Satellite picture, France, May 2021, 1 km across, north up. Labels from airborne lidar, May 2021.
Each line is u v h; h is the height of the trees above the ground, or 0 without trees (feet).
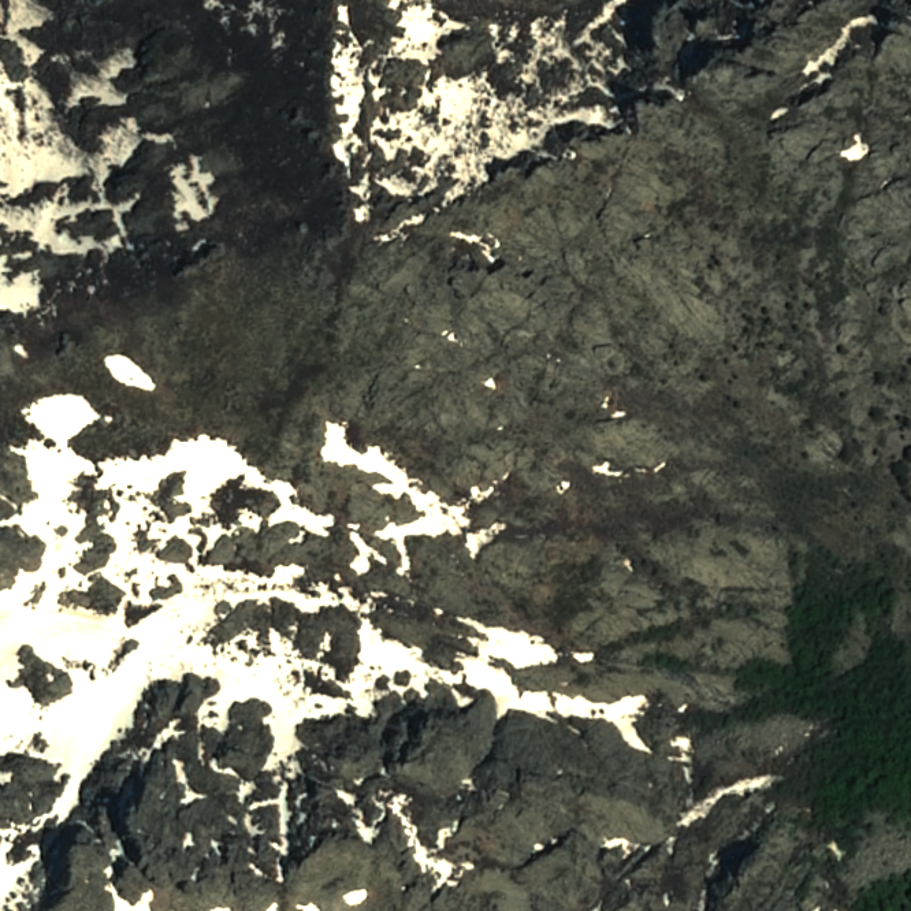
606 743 0
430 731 0
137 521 0
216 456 0
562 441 28
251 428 0
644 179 0
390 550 0
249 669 0
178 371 0
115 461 0
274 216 0
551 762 0
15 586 0
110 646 0
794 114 0
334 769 0
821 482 33
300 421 0
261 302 0
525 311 0
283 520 0
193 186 0
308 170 0
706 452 0
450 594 0
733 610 51
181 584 0
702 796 32
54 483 0
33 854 0
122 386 0
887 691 54
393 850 0
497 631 0
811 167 0
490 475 0
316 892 0
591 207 0
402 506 0
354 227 0
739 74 0
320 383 0
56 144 0
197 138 0
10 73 0
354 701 0
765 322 28
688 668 35
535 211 0
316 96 0
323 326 0
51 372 0
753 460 36
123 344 0
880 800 46
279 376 0
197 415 0
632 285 0
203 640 0
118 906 0
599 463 0
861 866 0
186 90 0
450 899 0
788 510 43
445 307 0
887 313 28
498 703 0
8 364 0
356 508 0
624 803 0
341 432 0
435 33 0
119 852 0
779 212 0
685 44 0
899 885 45
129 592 0
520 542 0
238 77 0
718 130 0
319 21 0
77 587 0
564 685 0
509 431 0
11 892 0
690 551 0
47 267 0
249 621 0
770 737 0
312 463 0
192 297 0
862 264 0
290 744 0
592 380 0
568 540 0
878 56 0
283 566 0
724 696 0
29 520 0
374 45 0
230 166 0
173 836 0
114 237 0
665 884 25
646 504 29
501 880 0
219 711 0
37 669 0
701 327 0
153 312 0
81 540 0
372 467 0
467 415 0
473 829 0
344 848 0
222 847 0
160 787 0
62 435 0
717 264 38
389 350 0
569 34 26
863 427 0
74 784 0
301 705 0
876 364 0
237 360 0
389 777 0
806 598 61
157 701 0
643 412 31
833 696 48
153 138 0
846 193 0
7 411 0
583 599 0
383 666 0
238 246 0
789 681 56
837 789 52
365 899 0
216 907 0
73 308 0
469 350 0
